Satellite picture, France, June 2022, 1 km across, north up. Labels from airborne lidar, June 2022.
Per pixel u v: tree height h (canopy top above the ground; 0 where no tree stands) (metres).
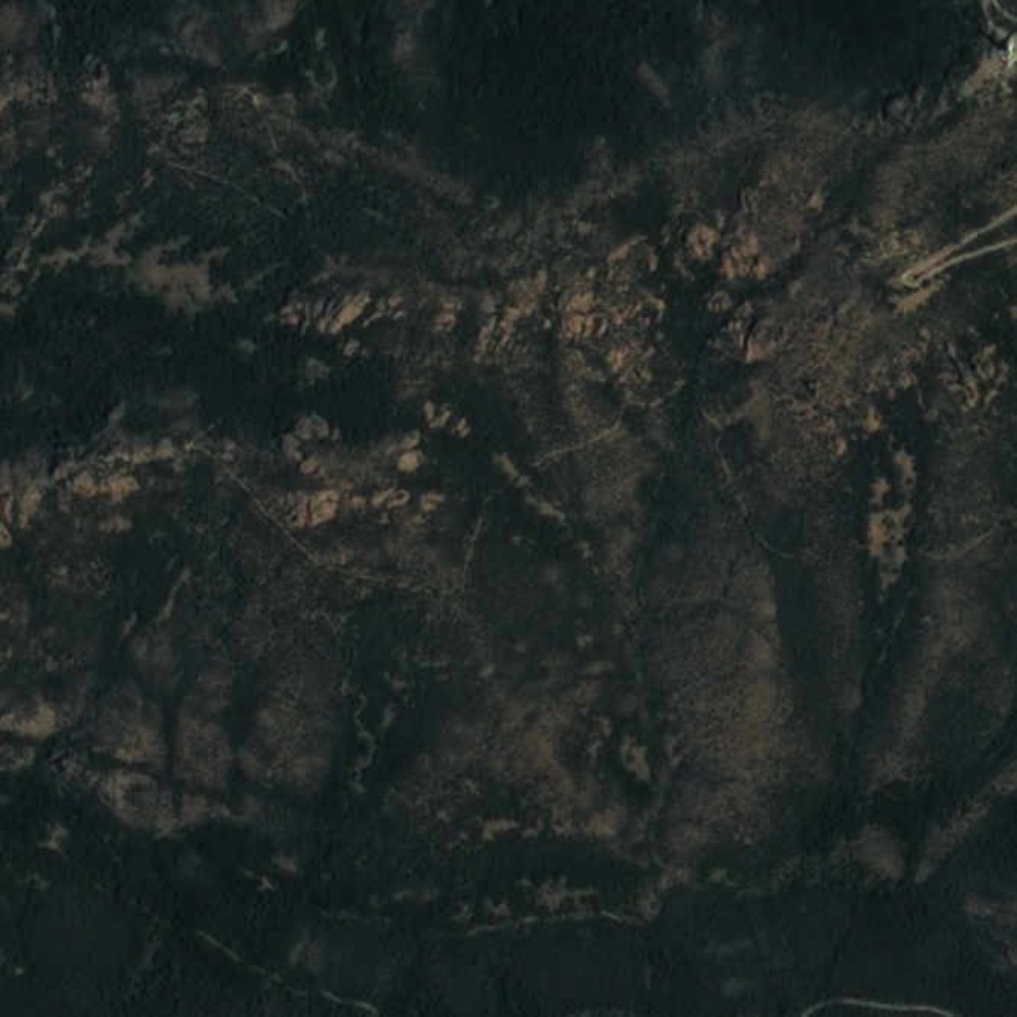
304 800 7
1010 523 12
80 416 10
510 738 0
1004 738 10
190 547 8
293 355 8
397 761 9
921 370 8
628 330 5
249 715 6
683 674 0
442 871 12
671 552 0
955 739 9
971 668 7
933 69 8
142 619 6
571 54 12
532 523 9
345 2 18
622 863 7
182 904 10
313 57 7
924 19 10
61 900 6
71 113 8
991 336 6
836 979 9
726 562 0
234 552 7
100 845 8
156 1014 6
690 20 7
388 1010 9
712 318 6
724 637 0
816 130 0
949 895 9
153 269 0
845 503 6
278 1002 7
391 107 6
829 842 9
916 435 6
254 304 11
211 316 8
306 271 11
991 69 0
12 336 6
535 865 7
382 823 6
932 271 0
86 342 8
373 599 7
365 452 0
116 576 13
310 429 0
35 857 9
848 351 0
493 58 12
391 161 0
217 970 9
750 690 0
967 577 0
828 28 10
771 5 9
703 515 8
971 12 7
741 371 8
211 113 7
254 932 10
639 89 7
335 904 7
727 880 7
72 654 8
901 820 8
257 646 0
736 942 0
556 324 7
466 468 8
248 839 11
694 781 0
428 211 0
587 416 0
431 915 6
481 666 0
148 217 8
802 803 9
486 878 7
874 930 6
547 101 7
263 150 10
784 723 0
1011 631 8
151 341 11
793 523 6
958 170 0
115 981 7
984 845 9
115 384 8
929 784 9
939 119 5
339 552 0
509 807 7
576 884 10
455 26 8
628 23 12
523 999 6
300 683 0
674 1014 6
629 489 0
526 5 11
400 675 7
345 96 6
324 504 0
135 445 0
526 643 0
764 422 0
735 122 0
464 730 0
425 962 8
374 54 13
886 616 8
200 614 12
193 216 6
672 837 0
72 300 8
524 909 6
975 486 0
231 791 6
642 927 11
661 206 6
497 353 6
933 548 9
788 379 0
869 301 0
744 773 0
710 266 11
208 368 10
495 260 0
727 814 0
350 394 10
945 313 0
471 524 9
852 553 7
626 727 8
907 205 0
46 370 6
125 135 8
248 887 7
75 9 12
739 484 6
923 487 7
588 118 12
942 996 6
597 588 8
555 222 8
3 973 9
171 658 0
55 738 13
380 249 0
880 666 8
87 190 6
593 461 0
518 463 8
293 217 11
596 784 0
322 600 5
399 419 7
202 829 10
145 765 6
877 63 8
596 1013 9
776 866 7
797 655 6
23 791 9
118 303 8
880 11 13
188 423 0
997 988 9
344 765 8
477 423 8
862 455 7
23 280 12
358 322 10
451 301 0
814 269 0
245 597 11
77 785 8
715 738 0
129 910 9
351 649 6
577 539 6
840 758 8
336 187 8
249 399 10
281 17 0
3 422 6
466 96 6
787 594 5
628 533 0
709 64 0
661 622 7
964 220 6
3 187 9
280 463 7
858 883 8
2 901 7
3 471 0
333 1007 10
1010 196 0
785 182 0
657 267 11
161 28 5
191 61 7
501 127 7
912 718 0
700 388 8
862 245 6
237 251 9
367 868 11
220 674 0
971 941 12
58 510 6
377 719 7
